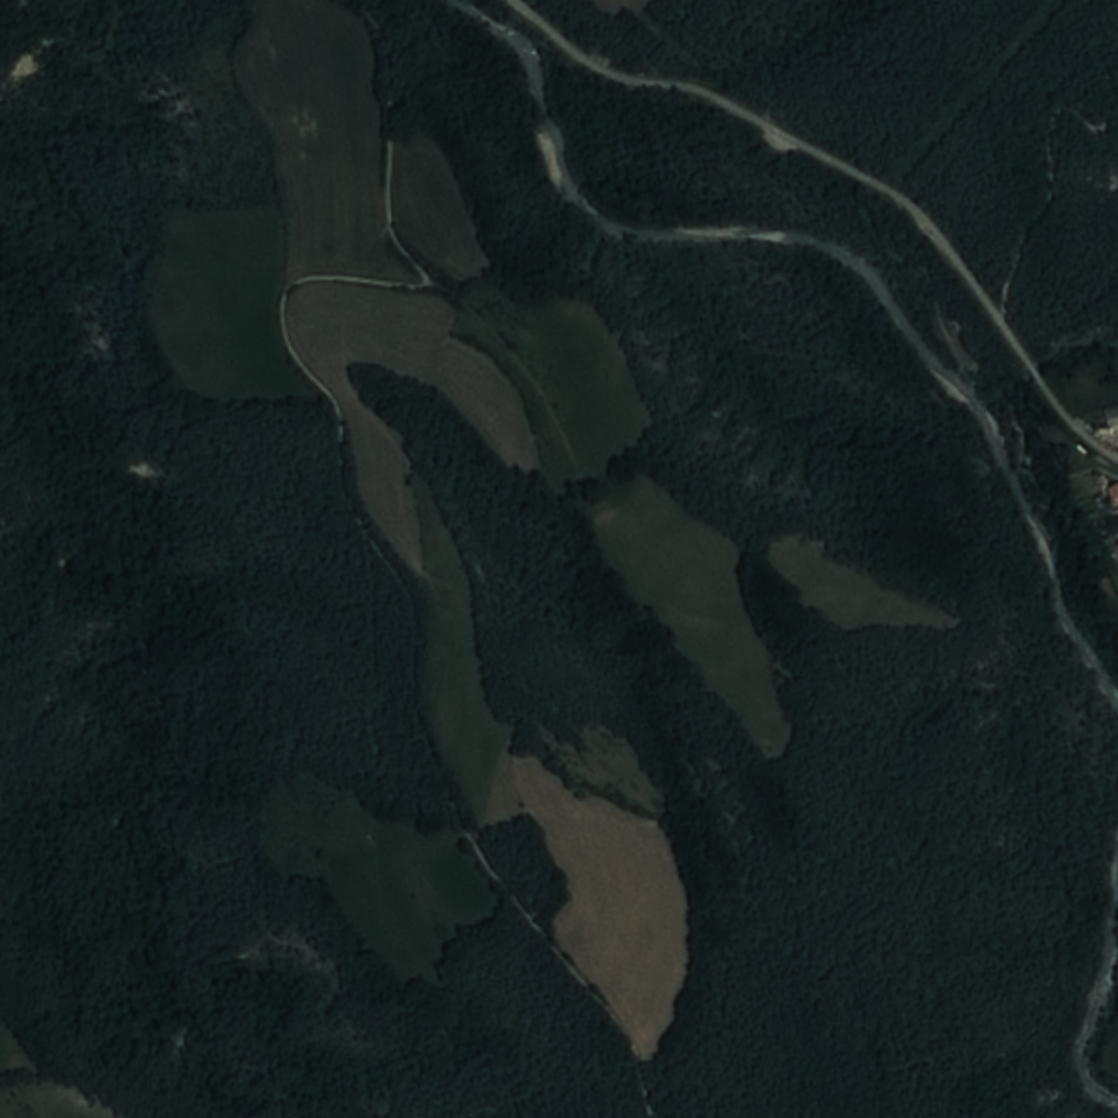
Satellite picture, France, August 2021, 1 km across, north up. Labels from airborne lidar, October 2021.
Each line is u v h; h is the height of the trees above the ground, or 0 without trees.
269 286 0
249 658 15
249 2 12
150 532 16
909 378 11
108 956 14
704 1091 8
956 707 8
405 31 14
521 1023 6
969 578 9
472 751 0
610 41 9
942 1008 10
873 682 7
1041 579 13
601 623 20
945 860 8
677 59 9
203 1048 10
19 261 11
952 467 14
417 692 10
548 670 7
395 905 0
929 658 10
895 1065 9
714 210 12
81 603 16
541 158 10
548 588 14
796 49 10
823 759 9
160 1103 13
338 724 7
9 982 15
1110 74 10
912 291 7
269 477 12
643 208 10
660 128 10
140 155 9
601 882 0
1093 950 9
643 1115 6
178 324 0
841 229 8
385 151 6
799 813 12
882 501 13
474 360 0
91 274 11
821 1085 7
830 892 8
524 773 0
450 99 14
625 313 10
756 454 7
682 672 14
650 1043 0
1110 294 12
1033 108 13
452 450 15
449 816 11
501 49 11
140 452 12
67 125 6
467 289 8
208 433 11
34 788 10
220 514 10
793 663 13
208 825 12
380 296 0
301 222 0
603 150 14
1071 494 6
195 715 14
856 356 14
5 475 13
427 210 0
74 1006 8
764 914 9
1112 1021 9
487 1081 8
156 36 11
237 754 16
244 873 12
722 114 13
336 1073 12
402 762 12
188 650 16
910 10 11
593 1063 11
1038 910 6
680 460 9
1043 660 12
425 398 11
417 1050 13
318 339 0
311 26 0
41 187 21
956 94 12
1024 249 9
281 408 13
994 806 7
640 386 7
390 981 15
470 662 0
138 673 14
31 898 17
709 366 8
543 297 16
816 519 8
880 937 12
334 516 11
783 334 11
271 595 13
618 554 0
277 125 0
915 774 10
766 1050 10
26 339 13
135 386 16
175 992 11
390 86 10
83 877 12
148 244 10
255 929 10
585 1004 11
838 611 0
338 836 0
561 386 0
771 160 9
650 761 15
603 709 7
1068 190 7
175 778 8
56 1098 0
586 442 0
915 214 0
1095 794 8
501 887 10
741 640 0
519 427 0
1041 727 15
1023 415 16
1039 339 7
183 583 11
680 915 0
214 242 0
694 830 13
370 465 0
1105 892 13
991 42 13
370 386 13
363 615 9
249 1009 11
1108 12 8
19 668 9
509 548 17
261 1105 10
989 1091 15
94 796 10
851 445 14
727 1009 11
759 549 15
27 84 6
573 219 16
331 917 13
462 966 11
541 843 13
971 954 7
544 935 8
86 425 19
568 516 11
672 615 0
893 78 11
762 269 10
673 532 0
